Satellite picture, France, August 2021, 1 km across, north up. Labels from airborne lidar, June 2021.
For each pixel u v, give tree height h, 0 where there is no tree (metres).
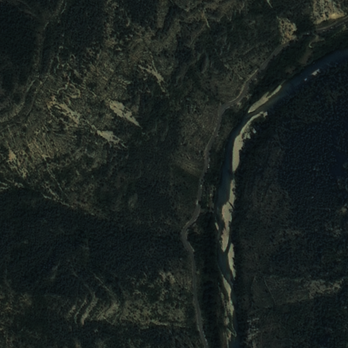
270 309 7
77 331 10
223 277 0
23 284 13
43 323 9
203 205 8
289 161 9
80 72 8
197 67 9
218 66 9
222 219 0
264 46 8
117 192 6
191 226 9
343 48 12
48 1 7
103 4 11
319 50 8
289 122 10
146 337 7
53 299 7
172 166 6
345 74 13
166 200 13
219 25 12
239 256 10
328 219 10
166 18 12
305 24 6
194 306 8
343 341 6
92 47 9
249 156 22
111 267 10
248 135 0
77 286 13
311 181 13
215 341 10
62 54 9
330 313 9
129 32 10
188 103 10
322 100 11
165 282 7
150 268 9
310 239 8
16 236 9
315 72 0
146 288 7
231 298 0
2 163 7
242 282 6
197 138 0
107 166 14
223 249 0
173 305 8
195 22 7
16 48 8
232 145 0
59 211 10
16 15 9
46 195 7
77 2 14
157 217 9
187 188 13
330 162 19
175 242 13
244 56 6
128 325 7
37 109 6
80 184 8
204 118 0
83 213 9
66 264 11
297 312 7
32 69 8
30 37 10
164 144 12
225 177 0
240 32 6
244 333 10
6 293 5
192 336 8
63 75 6
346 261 7
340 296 10
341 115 11
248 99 5
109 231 18
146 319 6
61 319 12
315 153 14
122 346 7
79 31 14
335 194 10
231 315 0
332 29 8
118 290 8
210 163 7
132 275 6
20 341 9
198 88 6
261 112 0
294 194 10
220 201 0
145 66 8
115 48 10
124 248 14
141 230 11
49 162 8
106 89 9
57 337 8
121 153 12
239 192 8
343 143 15
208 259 14
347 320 7
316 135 14
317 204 8
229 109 7
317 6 8
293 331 13
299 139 12
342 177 7
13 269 17
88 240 34
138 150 13
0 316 10
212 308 27
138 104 7
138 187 14
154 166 10
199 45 12
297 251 7
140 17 8
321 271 7
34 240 14
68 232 12
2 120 16
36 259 15
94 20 9
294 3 8
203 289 6
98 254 12
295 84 0
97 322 13
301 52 10
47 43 7
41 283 16
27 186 11
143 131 10
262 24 7
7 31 7
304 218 10
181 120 7
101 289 11
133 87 8
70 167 6
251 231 5
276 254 6
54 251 12
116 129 10
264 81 14
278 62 6
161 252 9
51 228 8
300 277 7
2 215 10
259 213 5
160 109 9
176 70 7
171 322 9
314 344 9
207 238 13
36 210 10
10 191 9
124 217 13
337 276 6
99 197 7
